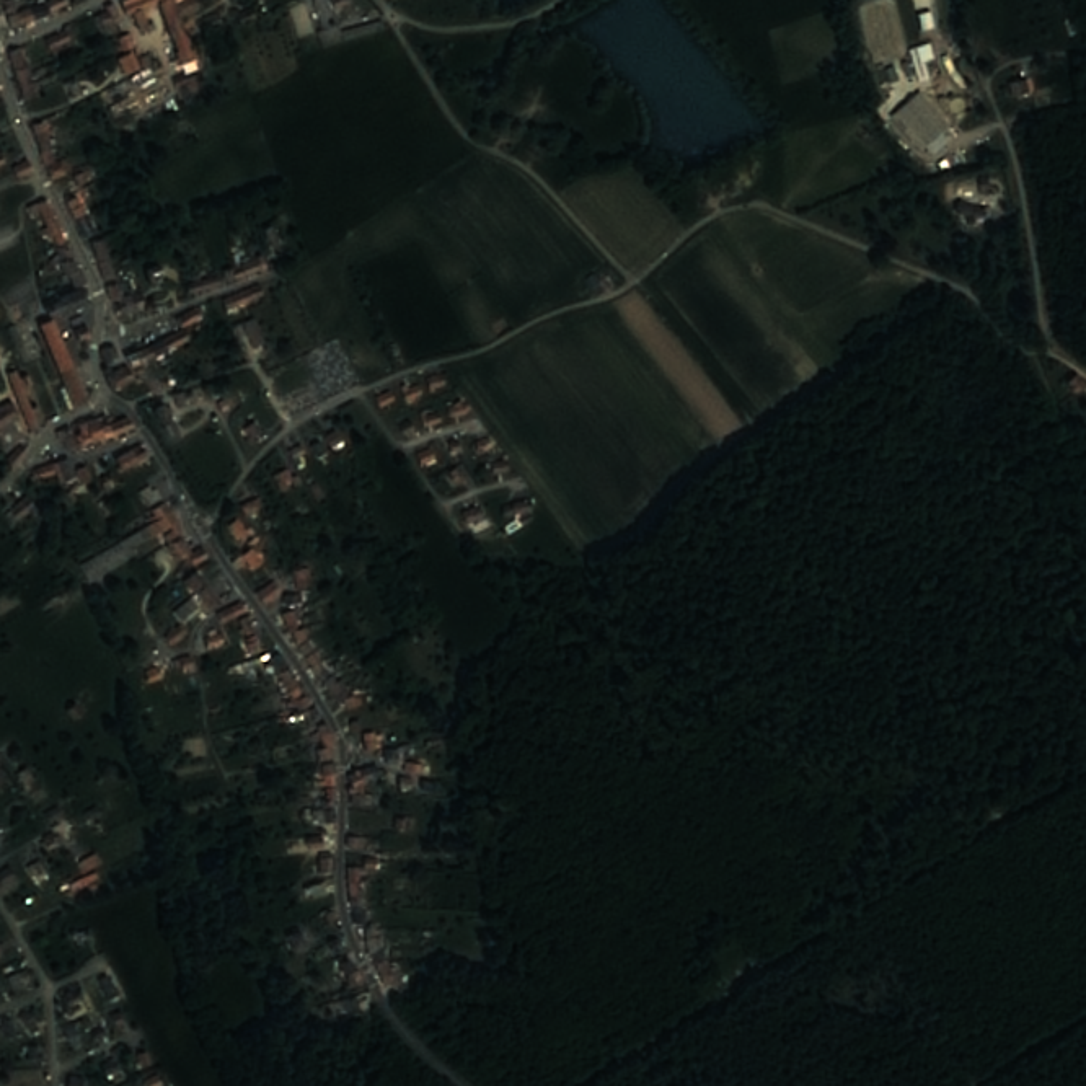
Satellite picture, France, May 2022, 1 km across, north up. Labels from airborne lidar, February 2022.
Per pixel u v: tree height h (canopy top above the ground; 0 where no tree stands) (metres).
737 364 0
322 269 0
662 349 0
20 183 0
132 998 0
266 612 0
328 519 0
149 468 0
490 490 0
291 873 0
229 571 0
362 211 0
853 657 24
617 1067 25
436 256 0
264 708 0
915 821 25
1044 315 0
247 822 18
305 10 0
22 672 0
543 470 0
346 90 0
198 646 0
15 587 6
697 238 0
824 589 29
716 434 0
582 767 10
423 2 0
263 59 0
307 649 0
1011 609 29
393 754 0
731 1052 20
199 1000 21
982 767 27
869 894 25
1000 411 20
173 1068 0
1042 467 27
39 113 0
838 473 24
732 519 32
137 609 0
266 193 15
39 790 0
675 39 0
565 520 0
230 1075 25
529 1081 10
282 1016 32
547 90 0
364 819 0
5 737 0
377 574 8
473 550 21
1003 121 0
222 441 0
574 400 0
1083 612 33
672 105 0
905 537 25
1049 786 20
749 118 0
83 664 0
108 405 0
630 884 10
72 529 20
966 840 16
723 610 29
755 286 0
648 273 0
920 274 0
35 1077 0
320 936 0
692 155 0
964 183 0
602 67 15
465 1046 11
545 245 0
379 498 0
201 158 0
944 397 16
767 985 26
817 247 0
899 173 21
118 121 0
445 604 0
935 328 19
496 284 0
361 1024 8
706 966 20
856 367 20
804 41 0
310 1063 33
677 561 30
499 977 25
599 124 0
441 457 0
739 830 10
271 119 0
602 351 0
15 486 0
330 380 0
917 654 28
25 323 0
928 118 0
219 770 0
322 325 0
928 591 27
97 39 9
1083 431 25
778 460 24
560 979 12
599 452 0
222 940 27
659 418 0
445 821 22
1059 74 0
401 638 9
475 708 30
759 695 29
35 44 0
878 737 28
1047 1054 19
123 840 0
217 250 0
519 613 14
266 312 0
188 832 17
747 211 0
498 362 0
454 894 0
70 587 11
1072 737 30
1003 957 13
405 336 0
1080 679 28
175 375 6
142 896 0
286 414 0
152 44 0
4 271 0
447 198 0
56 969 9
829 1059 22
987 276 22
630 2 0
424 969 8
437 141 0
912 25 0
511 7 19
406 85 0
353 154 0
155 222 22
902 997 10
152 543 0
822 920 23
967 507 29
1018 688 27
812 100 0
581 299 0
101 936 0
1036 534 29
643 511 0
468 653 0
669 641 29
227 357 6
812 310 0
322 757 0
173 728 0
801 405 22
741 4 0
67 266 0
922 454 20
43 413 0
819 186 0
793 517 29
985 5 0
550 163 0
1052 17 0
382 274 0
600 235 0
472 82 7
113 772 15
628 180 0
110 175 19
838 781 0
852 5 8
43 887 0
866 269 0
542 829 9
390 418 0
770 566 28
